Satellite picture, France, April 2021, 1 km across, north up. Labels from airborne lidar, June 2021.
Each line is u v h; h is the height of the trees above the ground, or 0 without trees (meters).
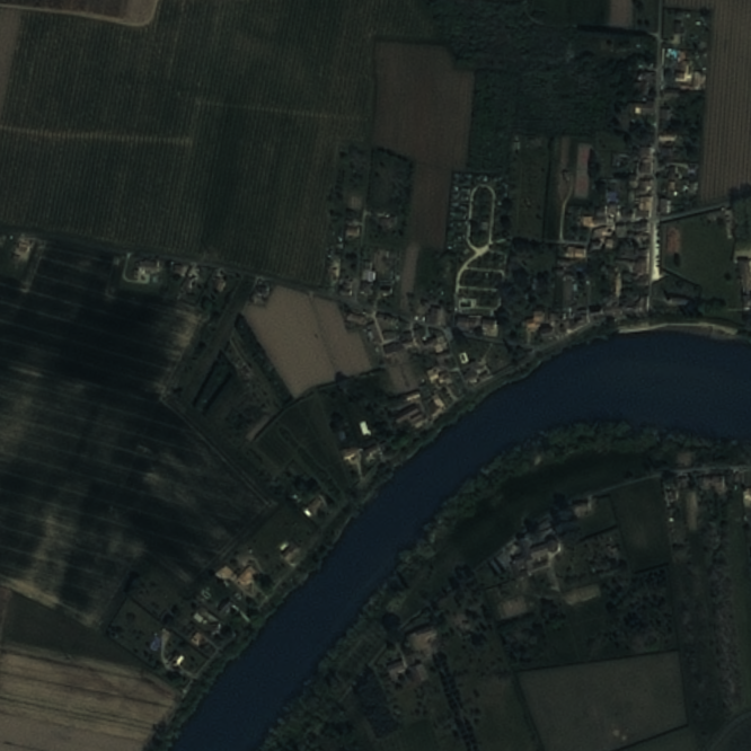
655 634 16
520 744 0
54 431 0
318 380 0
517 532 0
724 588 14
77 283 0
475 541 0
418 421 0
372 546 0
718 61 0
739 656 13
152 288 0
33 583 0
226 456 0
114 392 0
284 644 0
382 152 10
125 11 0
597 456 0
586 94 6
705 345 0
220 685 0
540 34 7
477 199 9
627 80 8
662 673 0
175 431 0
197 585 0
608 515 0
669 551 0
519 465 17
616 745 0
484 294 7
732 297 0
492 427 0
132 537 0
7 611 0
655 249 0
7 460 0
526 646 9
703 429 0
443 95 0
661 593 9
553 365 0
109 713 0
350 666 19
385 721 13
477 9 8
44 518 0
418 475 0
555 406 0
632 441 20
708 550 9
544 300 17
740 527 0
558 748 0
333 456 0
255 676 0
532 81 6
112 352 0
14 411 0
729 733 0
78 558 0
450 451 0
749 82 0
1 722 0
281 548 0
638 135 8
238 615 14
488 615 14
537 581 8
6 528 0
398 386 0
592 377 0
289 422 0
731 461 10
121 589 0
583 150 0
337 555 0
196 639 0
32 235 0
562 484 0
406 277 0
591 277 12
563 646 0
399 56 0
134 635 6
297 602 0
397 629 24
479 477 15
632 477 10
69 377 0
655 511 0
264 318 0
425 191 0
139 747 0
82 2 0
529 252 10
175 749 0
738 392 0
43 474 0
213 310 8
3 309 0
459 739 10
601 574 7
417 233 0
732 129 0
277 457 0
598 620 0
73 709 0
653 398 0
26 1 0
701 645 7
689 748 0
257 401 7
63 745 0
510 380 9
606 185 10
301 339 0
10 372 0
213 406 11
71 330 0
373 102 0
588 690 0
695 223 0
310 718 27
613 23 0
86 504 0
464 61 9
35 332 0
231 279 8
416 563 15
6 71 0
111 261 0
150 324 0
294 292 0
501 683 8
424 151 0
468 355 0
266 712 0
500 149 6
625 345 0
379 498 0
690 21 0
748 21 0
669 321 0
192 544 0
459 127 0
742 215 26
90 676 0
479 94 9
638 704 0
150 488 0
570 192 0
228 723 0
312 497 8
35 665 0
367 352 0
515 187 9
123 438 0
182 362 0
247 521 0
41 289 0
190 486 0
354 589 0
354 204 0
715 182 0
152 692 0
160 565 0
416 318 0
